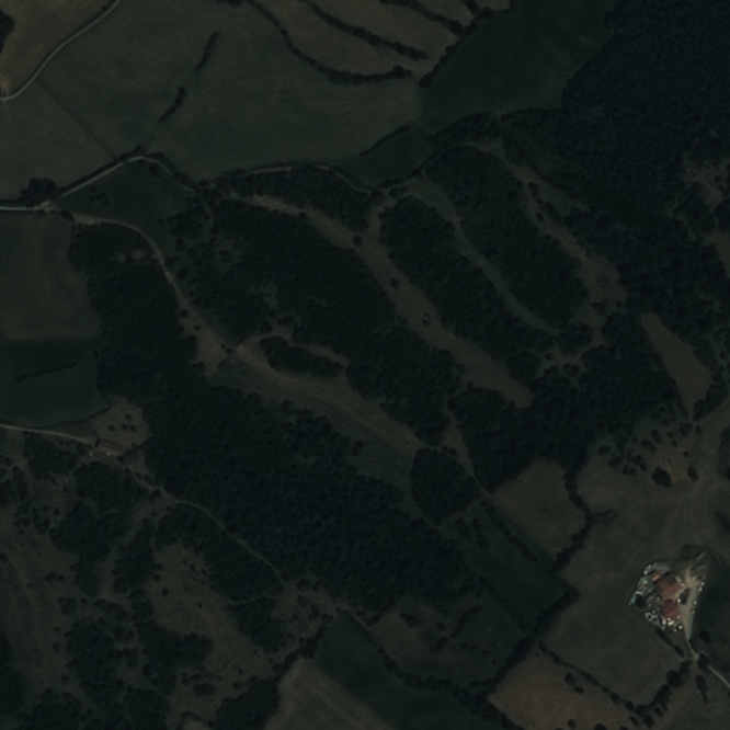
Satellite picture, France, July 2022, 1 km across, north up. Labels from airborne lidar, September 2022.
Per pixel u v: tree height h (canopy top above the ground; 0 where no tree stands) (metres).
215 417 8
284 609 0
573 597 13
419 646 0
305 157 0
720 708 0
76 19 0
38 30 0
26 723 7
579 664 0
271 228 6
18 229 0
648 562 0
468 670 0
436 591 16
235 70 0
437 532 9
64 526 7
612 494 0
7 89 0
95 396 0
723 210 16
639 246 27
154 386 7
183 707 0
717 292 17
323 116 0
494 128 8
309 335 11
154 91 0
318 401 0
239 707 7
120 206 0
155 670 8
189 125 0
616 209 7
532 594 0
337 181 7
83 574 7
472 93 0
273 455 6
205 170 0
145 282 7
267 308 6
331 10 0
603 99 25
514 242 8
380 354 7
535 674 0
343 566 17
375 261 0
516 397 0
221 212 8
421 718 0
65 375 0
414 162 0
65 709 6
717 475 0
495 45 0
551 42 0
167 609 0
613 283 0
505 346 8
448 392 9
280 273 7
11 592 0
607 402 19
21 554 0
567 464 6
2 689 7
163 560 0
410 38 0
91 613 0
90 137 0
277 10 0
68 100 0
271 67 0
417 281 7
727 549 0
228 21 0
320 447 6
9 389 0
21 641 0
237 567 9
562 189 10
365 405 0
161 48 0
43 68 0
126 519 8
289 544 10
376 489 17
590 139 17
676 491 0
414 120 0
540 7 0
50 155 0
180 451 10
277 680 7
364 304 8
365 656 0
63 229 0
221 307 8
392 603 11
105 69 0
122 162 8
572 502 7
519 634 0
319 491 5
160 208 0
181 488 10
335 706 0
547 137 7
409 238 8
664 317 12
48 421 0
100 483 8
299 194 6
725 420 0
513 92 0
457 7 0
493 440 17
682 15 7
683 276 20
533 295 5
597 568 0
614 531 0
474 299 7
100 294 6
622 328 8
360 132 0
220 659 0
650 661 0
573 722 9
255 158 0
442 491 11
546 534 0
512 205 8
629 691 0
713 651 0
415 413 6
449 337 0
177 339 8
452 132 8
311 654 12
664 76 23
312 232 7
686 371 0
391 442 0
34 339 0
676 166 17
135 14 0
